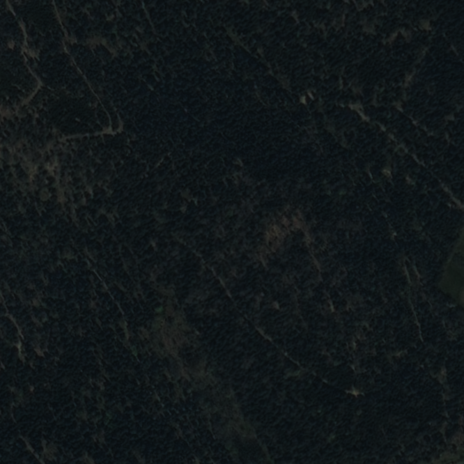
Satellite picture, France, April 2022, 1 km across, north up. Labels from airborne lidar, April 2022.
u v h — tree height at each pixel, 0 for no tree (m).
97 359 34
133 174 24
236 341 35
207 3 36
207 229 28
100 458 27
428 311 32
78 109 10
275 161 26
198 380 11
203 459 21
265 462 13
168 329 10
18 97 10
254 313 27
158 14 34
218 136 30
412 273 17
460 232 14
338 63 34
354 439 21
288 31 20
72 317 23
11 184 7
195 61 31
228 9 32
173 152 26
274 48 29
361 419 20
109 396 22
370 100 29
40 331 28
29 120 12
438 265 40
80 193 21
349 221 26
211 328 34
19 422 31
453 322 32
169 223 29
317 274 29
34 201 30
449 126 8
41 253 31
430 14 18
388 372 20
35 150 32
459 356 22
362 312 22
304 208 24
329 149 32
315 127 34
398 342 23
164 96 28
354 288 28
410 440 26
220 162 25
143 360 31
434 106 32
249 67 30
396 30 7
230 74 19
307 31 21
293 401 33
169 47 26
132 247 8
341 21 25
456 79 21
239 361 39
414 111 6
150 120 26
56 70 12
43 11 9
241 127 23
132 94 19
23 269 26
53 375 25
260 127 17
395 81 10
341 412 24
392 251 25
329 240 19
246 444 14
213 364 22
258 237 19
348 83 37
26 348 13
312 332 24
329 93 32
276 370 28
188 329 16
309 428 30
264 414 32
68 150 27
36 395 23
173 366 33
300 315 13
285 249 25
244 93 35
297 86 13
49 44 9
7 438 25
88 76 18
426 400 20
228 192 27
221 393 12
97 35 21
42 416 30
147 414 12
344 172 11
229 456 7
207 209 24
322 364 16
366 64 21
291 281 20
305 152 30
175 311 12
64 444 25
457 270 0
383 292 16
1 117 25
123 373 8
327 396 22
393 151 16
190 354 16
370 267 31
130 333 12
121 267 34
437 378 7
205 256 19
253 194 31
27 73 9
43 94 8
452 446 28
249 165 31
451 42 16
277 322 20
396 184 24
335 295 28
